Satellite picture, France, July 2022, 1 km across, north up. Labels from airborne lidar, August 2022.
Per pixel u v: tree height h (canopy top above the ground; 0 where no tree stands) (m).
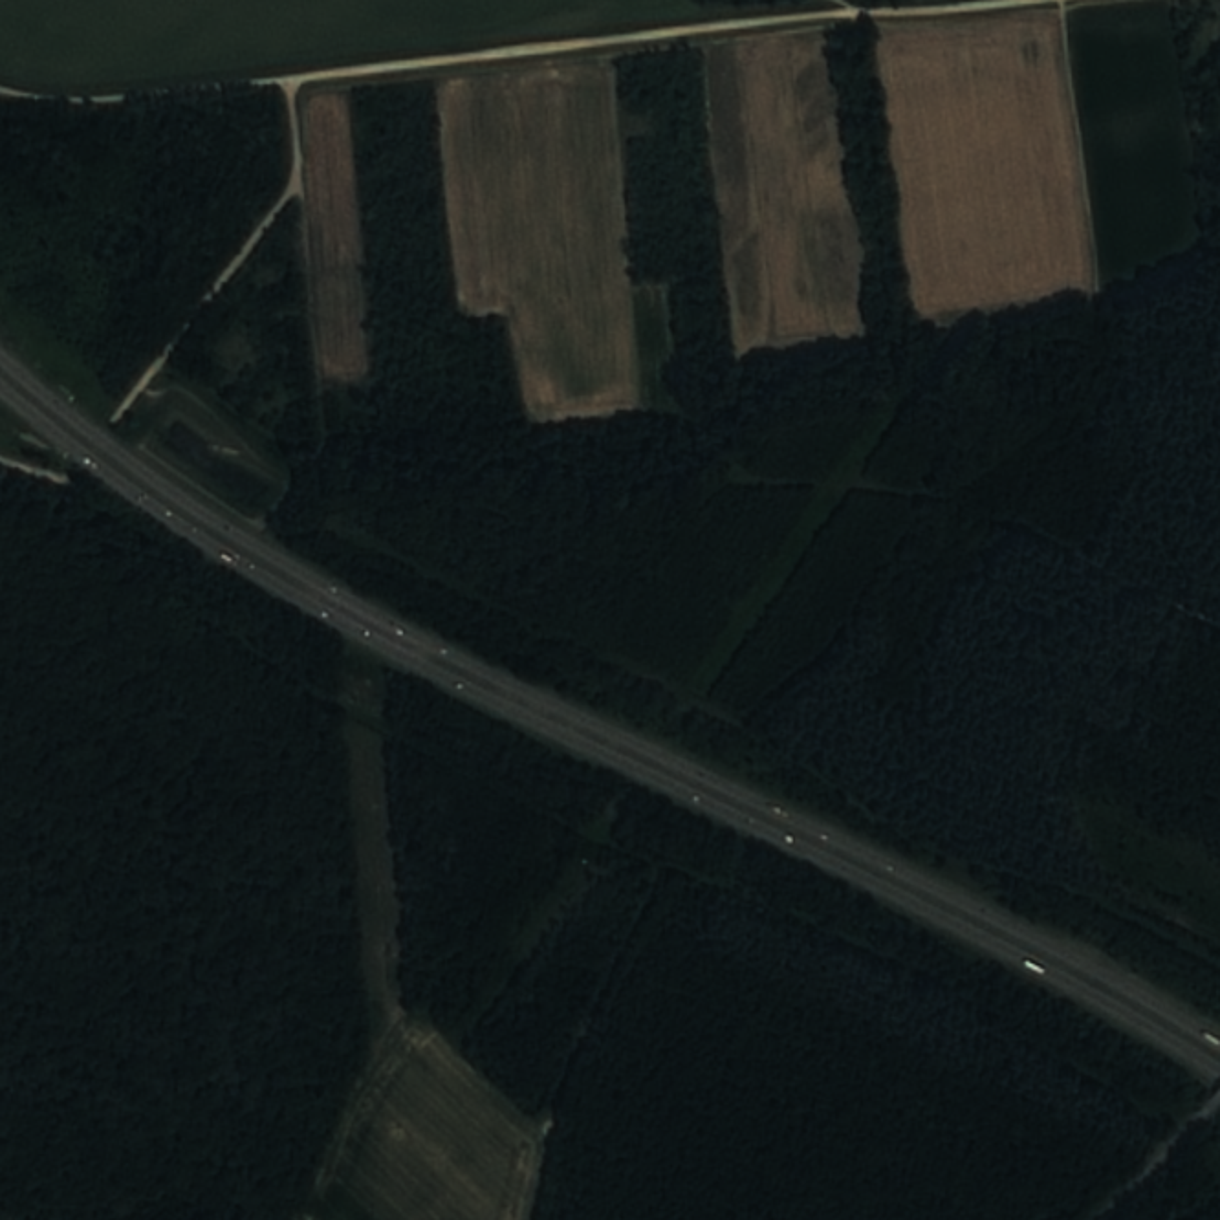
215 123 17
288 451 23
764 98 0
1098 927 10
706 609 10
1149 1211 15
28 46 0
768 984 19
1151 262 0
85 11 0
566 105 0
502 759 19
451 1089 0
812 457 8
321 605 0
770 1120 17
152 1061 20
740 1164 18
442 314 16
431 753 13
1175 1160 13
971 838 31
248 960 21
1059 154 0
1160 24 0
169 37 0
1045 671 29
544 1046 16
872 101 7
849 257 0
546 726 0
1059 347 20
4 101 9
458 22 0
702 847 15
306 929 20
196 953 17
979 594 31
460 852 21
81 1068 13
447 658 0
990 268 0
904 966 14
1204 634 20
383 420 17
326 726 19
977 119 0
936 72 0
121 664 18
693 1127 17
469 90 0
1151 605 22
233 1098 18
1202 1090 7
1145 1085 16
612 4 0
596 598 19
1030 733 31
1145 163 0
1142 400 29
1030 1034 18
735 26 0
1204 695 16
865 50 13
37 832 13
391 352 10
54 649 17
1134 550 30
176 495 0
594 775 11
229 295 12
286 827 19
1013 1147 18
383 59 0
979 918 0
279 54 0
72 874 21
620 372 0
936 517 21
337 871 22
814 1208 16
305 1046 21
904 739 28
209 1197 13
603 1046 18
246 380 7
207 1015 26
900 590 22
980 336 25
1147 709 19
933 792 30
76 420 0
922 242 0
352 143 0
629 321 0
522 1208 0
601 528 31
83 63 0
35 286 7
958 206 0
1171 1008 0
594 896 10
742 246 0
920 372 6
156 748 19
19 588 19
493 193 0
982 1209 19
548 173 0
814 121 0
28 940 18
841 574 11
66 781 24
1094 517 17
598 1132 18
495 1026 15
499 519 21
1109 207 0
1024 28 0
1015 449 14
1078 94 0
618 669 10
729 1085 19
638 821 15
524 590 17
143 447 0
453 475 27
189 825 22
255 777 19
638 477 29
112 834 22
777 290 0
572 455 24
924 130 0
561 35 0
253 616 15
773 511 9
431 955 17
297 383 7
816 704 27
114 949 17
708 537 8
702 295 11
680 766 0
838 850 0
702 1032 15
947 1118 18
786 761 9
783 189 0
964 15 0
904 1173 18
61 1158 17
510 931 9
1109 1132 20
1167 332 25
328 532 9
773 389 25
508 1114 0
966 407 25
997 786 30
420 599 12
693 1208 19
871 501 8
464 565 20
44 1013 23
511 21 0
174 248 15
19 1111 19
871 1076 18
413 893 18
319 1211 0
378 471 34
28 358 0
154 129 7
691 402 37
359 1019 19
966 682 29
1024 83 0
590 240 0
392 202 12
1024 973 0
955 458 20
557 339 0
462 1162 0
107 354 7
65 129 12
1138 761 15
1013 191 0
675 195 6
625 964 15
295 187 0
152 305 16
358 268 0
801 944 21
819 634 11
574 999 14
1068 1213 23
